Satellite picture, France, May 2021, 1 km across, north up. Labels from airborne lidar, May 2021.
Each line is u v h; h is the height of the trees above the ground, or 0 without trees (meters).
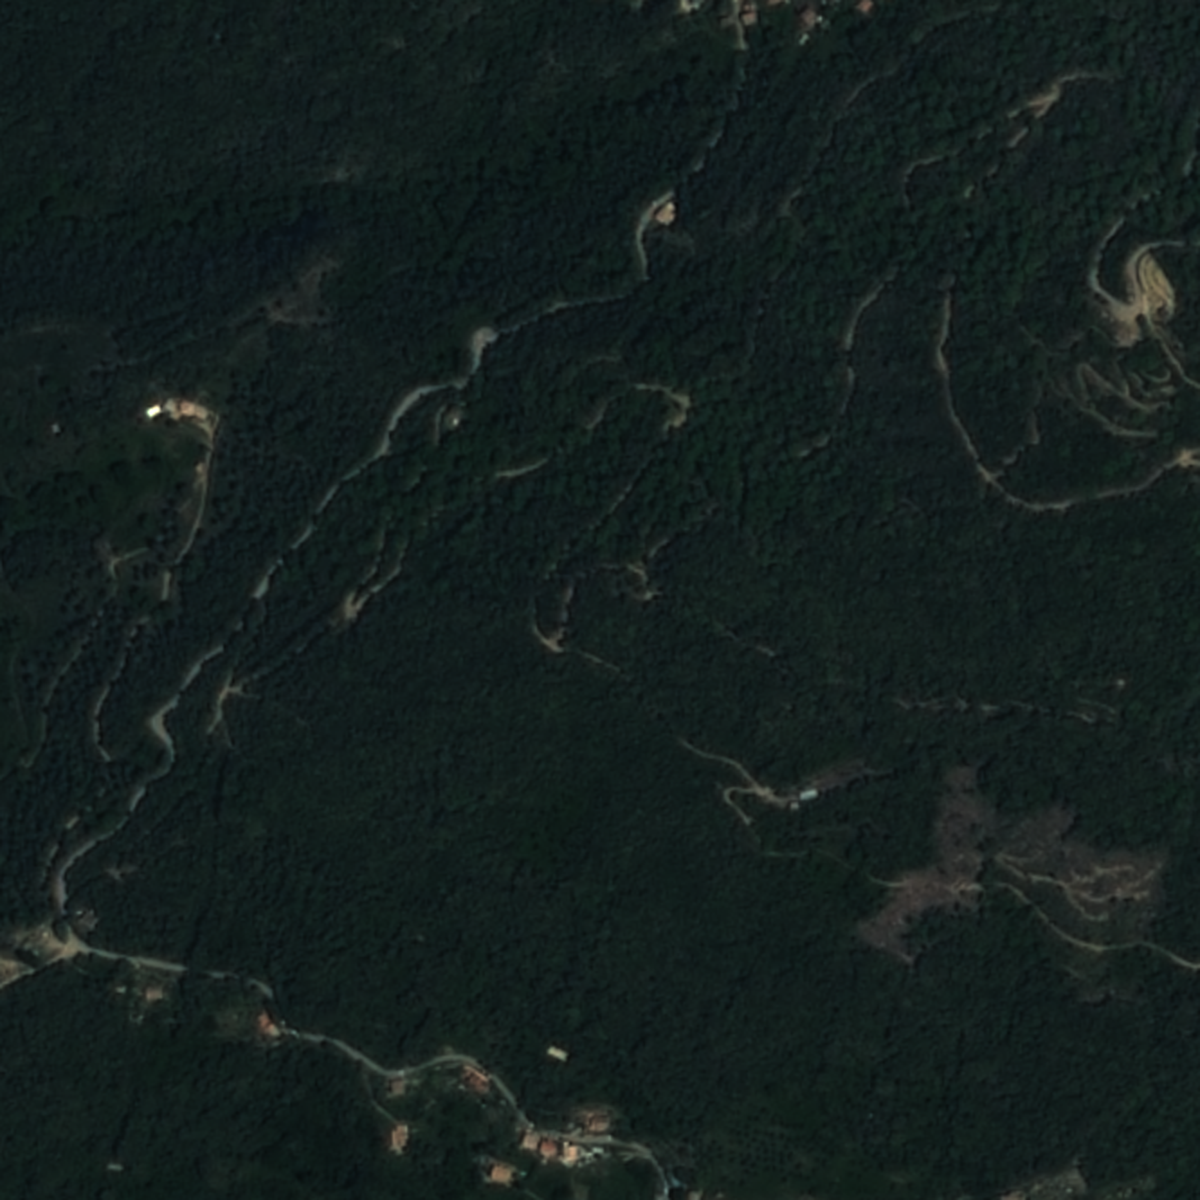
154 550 14
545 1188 0
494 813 8
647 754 7
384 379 13
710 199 9
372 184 9
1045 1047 12
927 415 7
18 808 10
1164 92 9
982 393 9
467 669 7
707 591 11
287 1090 12
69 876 6
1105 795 19
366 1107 9
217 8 14
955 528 11
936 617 9
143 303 10
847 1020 16
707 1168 6
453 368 8
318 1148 21
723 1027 12
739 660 12
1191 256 8
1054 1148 10
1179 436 8
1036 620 15
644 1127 12
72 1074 15
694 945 10
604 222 13
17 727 0
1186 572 15
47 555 8
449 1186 17
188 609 12
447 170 20
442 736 13
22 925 6
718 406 16
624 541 12
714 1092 15
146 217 23
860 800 15
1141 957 12
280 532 16
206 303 10
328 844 11
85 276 12
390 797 17
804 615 9
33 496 14
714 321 16
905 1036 16
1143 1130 9
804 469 14
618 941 10
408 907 13
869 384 8
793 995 14
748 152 13
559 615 12
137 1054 12
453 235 6
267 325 10
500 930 13
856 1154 7
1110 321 0
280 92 10
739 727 10
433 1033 11
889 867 10
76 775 11
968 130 11
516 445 13
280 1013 12
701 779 11
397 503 9
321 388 18
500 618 11
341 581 10
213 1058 8
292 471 8
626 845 10
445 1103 6
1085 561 7
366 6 15
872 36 13
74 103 16
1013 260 10
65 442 11
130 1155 16
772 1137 7
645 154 8
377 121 12
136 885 9
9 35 15
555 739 11
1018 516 12
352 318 10
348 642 9
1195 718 13
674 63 16
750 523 12
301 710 6
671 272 13
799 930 10
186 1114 13
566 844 10
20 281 8
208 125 10
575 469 5
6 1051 18
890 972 15
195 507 0
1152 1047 12
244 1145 16
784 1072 9
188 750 9
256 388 11
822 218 13
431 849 17
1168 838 8
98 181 14
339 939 14
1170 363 6
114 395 10
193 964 16
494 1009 7
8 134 15
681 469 15
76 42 16
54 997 14
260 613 11
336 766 11
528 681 10
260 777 15
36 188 18
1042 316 8
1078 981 7
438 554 6
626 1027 17
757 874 9
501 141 12
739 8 0
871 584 9
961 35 8
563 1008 9
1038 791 13
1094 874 0
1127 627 11
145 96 16
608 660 12
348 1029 9
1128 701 7
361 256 9
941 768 17
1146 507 10
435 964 11
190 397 13
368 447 13
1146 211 14
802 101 7
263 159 14
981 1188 8
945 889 0
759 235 9
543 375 8
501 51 10
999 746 21
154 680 13
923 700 6
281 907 12
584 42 9
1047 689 10
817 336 8
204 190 20
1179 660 17
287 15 6
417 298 10
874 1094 10
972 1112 15
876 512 7
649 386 8
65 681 11
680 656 14
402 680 8
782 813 6
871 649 12
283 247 15
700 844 6
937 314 10
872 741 12
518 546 8
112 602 9
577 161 19
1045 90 7
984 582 9
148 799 9
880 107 9
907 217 16
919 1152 8
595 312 13
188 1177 7
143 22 12
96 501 12
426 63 9
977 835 9
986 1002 15
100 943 15
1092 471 12
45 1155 14
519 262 16
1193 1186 6
